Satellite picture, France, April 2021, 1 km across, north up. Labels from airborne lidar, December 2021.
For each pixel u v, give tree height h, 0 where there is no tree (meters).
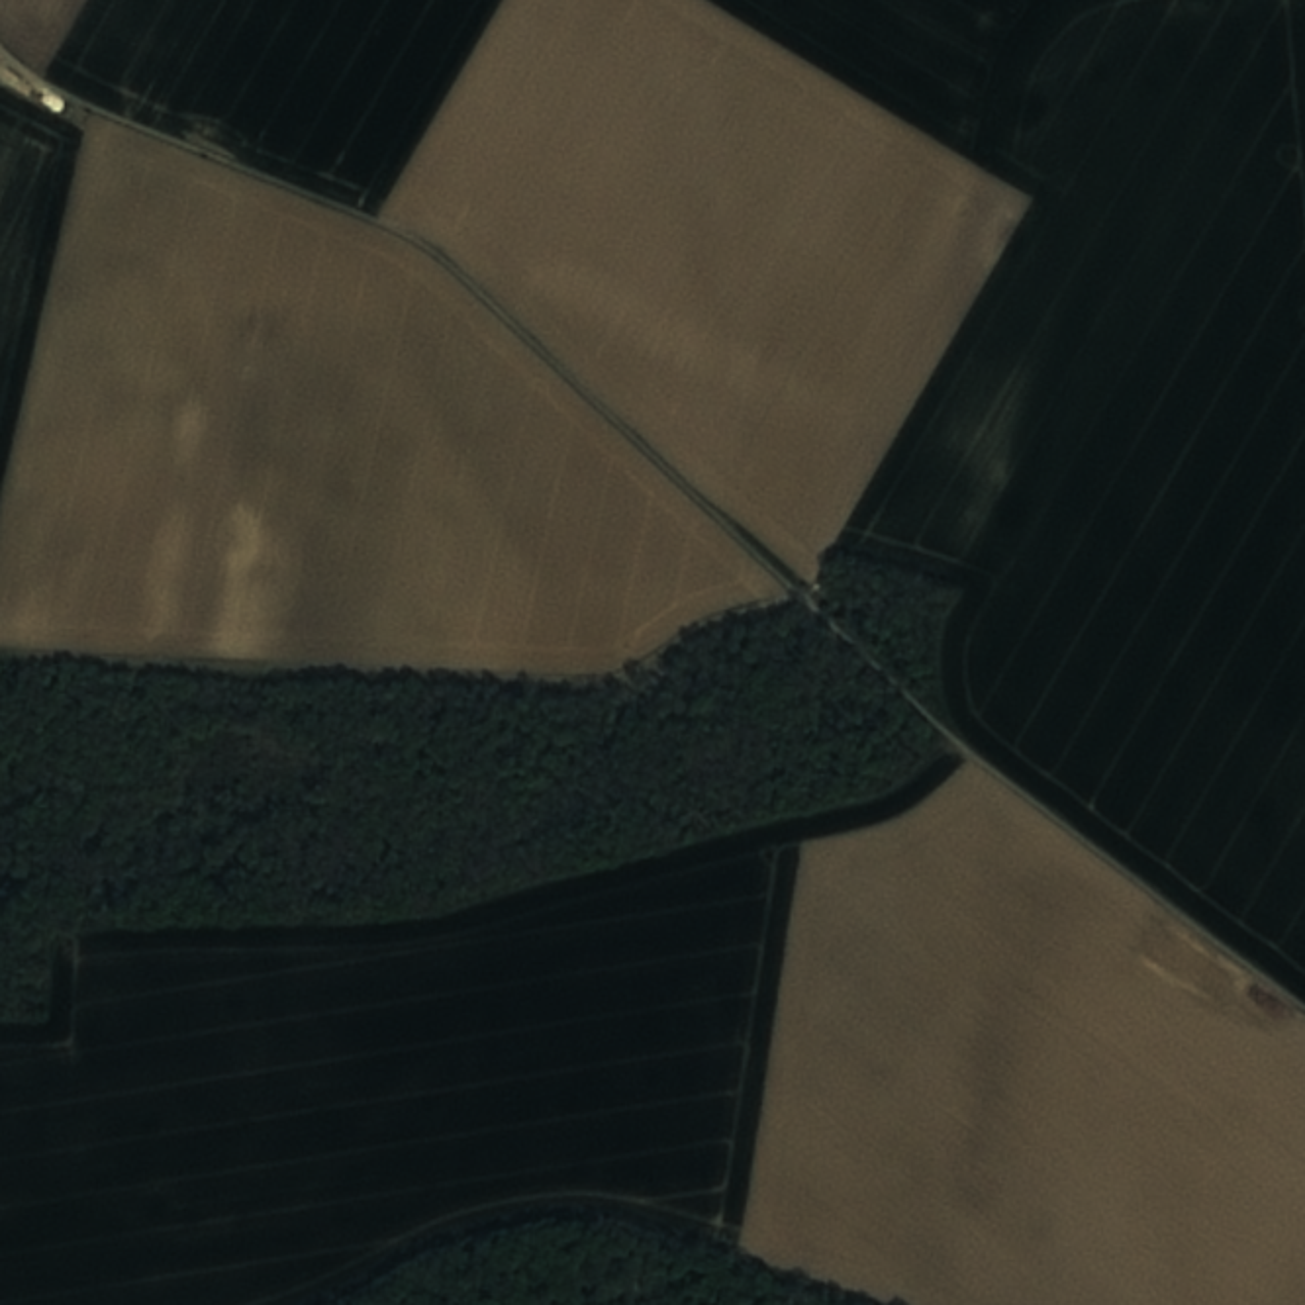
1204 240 0
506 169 0
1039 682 0
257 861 25
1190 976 0
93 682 20
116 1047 0
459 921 0
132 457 0
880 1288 0
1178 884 0
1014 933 0
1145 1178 0
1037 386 0
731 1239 0
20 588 0
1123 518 0
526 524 0
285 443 0
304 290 0
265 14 0
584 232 0
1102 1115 0
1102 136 0
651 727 21
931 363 0
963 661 0
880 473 0
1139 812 0
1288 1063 0
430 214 0
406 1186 0
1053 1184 0
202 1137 0
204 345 0
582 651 0
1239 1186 0
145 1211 0
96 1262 0
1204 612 0
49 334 0
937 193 0
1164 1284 0
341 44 0
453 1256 20
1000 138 0
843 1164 0
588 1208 0
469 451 0
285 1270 0
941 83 0
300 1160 0
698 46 0
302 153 0
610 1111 0
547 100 0
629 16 0
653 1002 0
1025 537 0
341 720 23
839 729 18
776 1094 0
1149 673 0
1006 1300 0
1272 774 0
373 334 0
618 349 0
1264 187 0
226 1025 0
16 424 0
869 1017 0
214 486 0
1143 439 0
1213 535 0
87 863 26
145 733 20
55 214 0
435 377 0
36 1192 0
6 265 0
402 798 24
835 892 0
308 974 0
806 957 0
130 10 0
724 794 19
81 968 0
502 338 0
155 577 0
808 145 0
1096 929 0
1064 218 0
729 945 0
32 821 23
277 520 0
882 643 10
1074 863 0
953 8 0
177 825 21
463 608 0
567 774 28
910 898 0
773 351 0
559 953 0
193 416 0
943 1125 0
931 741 9
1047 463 0
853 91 0
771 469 0
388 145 0
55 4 0
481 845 22
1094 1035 0
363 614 0
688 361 0
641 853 16
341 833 27
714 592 0
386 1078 0
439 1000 0
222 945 0
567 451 0
